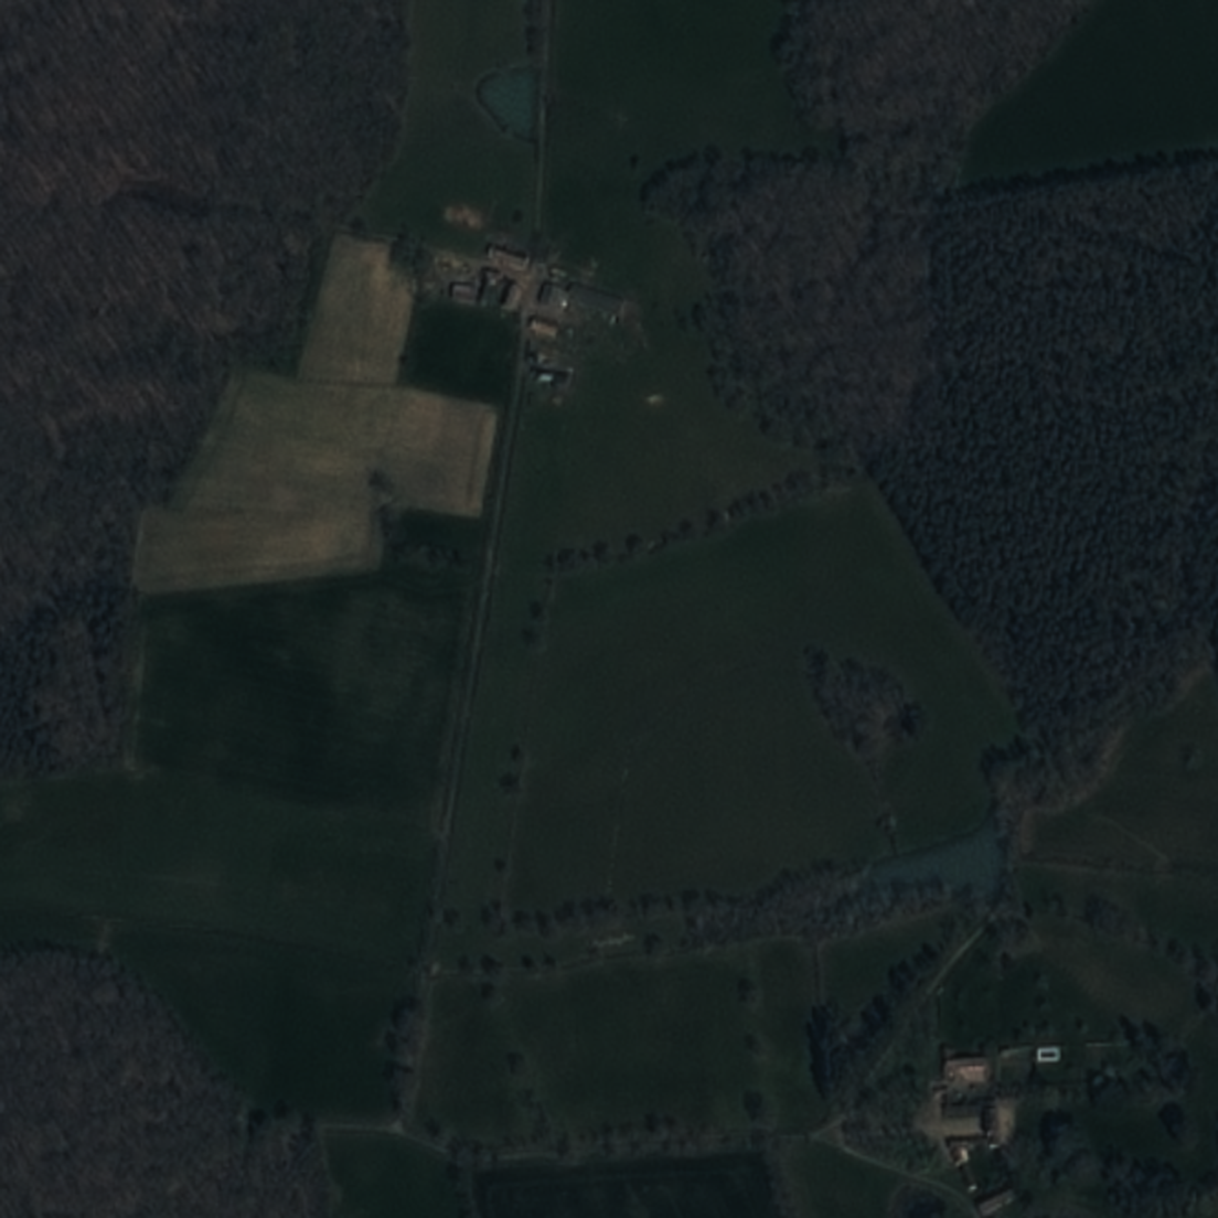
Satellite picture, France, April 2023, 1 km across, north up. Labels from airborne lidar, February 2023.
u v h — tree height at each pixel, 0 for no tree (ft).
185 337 79
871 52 81
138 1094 74
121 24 82
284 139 84
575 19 0
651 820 0
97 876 0
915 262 84
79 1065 54
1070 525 77
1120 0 0
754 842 0
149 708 0
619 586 0
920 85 61
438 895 0
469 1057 0
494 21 0
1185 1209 54
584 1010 0
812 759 0
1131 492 78
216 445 0
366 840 0
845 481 51
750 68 0
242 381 0
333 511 0
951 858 0
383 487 63
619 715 0
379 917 0
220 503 0
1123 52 0
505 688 0
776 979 0
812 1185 0
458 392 0
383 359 0
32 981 73
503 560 0
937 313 70
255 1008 0
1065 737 82
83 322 90
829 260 87
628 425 0
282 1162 75
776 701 0
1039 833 0
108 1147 80
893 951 0
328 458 0
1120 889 0
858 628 0
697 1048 0
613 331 0
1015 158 0
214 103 81
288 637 0
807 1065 0
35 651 76
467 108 0
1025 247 87
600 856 0
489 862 0
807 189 78
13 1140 90
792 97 58
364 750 0
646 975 0
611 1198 0
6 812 0
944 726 0
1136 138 0
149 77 91
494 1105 0
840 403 69
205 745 0
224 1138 72
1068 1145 92
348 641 0
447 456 0
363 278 0
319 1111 0
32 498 76
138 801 0
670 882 0
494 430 0
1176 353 78
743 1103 0
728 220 69
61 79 93
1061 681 89
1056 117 0
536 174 0
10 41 82
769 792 0
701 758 0
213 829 0
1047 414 91
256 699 0
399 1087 58
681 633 0
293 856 0
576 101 0
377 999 0
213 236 87
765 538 0
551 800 0
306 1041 0
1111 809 0
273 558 0
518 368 0
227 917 0
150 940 0
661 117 0
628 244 0
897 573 0
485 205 0
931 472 83
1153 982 0
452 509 0
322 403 0
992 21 79
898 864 0
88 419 87
